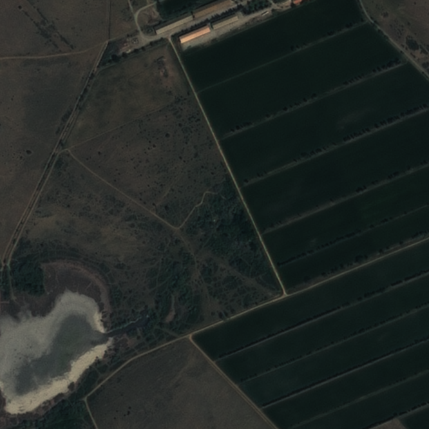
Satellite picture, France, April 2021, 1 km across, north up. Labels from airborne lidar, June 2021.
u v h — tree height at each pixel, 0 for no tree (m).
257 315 0
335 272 10
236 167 0
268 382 0
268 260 10
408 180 0
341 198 0
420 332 0
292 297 0
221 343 0
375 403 0
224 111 0
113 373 0
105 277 0
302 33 0
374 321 0
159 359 0
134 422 0
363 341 0
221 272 0
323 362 0
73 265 0
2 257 0
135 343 0
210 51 0
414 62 0
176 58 0
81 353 0
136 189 0
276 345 0
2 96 0
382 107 0
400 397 0
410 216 0
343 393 0
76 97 0
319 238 0
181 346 0
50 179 0
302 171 0
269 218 0
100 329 0
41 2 0
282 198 0
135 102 0
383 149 0
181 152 0
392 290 0
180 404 0
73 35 0
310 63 0
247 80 0
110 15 0
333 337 0
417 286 0
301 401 0
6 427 0
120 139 0
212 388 0
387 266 0
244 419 0
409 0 0
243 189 0
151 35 0
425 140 0
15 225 0
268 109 0
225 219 19
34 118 0
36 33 0
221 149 0
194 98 0
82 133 0
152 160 0
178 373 0
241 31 0
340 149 0
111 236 0
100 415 0
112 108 0
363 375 0
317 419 0
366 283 0
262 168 0
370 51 0
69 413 11
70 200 0
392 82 0
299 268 0
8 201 0
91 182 0
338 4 0
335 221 0
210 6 0
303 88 0
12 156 0
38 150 0
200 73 0
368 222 0
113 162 0
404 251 0
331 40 0
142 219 0
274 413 0
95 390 0
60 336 0
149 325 13
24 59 0
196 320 0
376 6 0
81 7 0
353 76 0
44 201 0
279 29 0
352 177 0
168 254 6
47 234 0
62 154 0
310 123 0
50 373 0
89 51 0
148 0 0
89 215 0
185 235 0
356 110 0
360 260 14
